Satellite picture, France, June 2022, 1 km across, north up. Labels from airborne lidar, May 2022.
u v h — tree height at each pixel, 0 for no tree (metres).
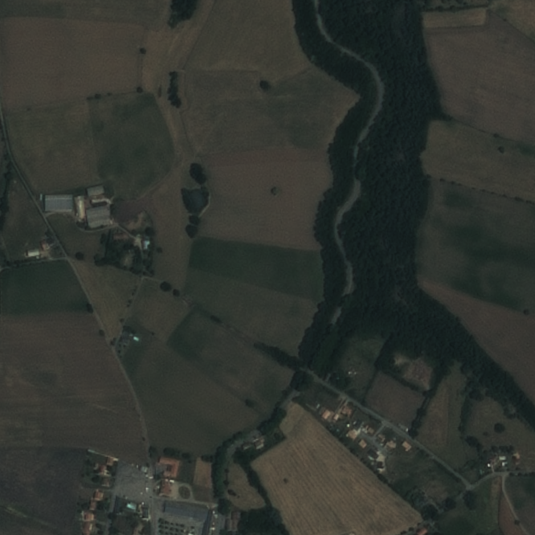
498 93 0
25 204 0
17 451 0
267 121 0
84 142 0
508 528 0
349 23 31
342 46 15
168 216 0
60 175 0
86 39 0
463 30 0
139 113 0
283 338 0
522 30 0
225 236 0
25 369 0
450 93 0
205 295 0
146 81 0
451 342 8
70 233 0
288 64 0
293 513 0
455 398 0
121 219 0
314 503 0
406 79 9
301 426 0
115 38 0
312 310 0
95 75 0
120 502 0
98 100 8
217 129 0
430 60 0
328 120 0
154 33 0
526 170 0
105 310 0
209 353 0
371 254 26
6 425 0
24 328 0
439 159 0
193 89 0
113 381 0
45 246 0
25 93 0
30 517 0
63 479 0
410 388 9
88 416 0
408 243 13
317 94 0
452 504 20
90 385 0
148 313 0
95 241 0
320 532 0
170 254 0
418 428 11
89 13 0
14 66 0
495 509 0
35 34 0
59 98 0
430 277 0
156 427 0
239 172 0
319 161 0
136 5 0
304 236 0
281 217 0
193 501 0
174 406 0
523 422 9
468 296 0
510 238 0
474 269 0
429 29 0
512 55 0
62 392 0
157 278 0
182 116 0
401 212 17
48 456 0
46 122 0
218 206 0
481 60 0
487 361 8
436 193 0
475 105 0
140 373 0
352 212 13
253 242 0
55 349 0
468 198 0
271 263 0
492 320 0
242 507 0
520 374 0
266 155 0
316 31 12
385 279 19
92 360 0
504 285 0
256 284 0
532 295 0
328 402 0
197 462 0
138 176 0
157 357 0
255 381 0
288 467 0
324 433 0
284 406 0
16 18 0
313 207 0
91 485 0
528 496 0
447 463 0
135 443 0
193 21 0
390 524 0
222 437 0
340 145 10
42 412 0
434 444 0
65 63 0
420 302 9
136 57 0
